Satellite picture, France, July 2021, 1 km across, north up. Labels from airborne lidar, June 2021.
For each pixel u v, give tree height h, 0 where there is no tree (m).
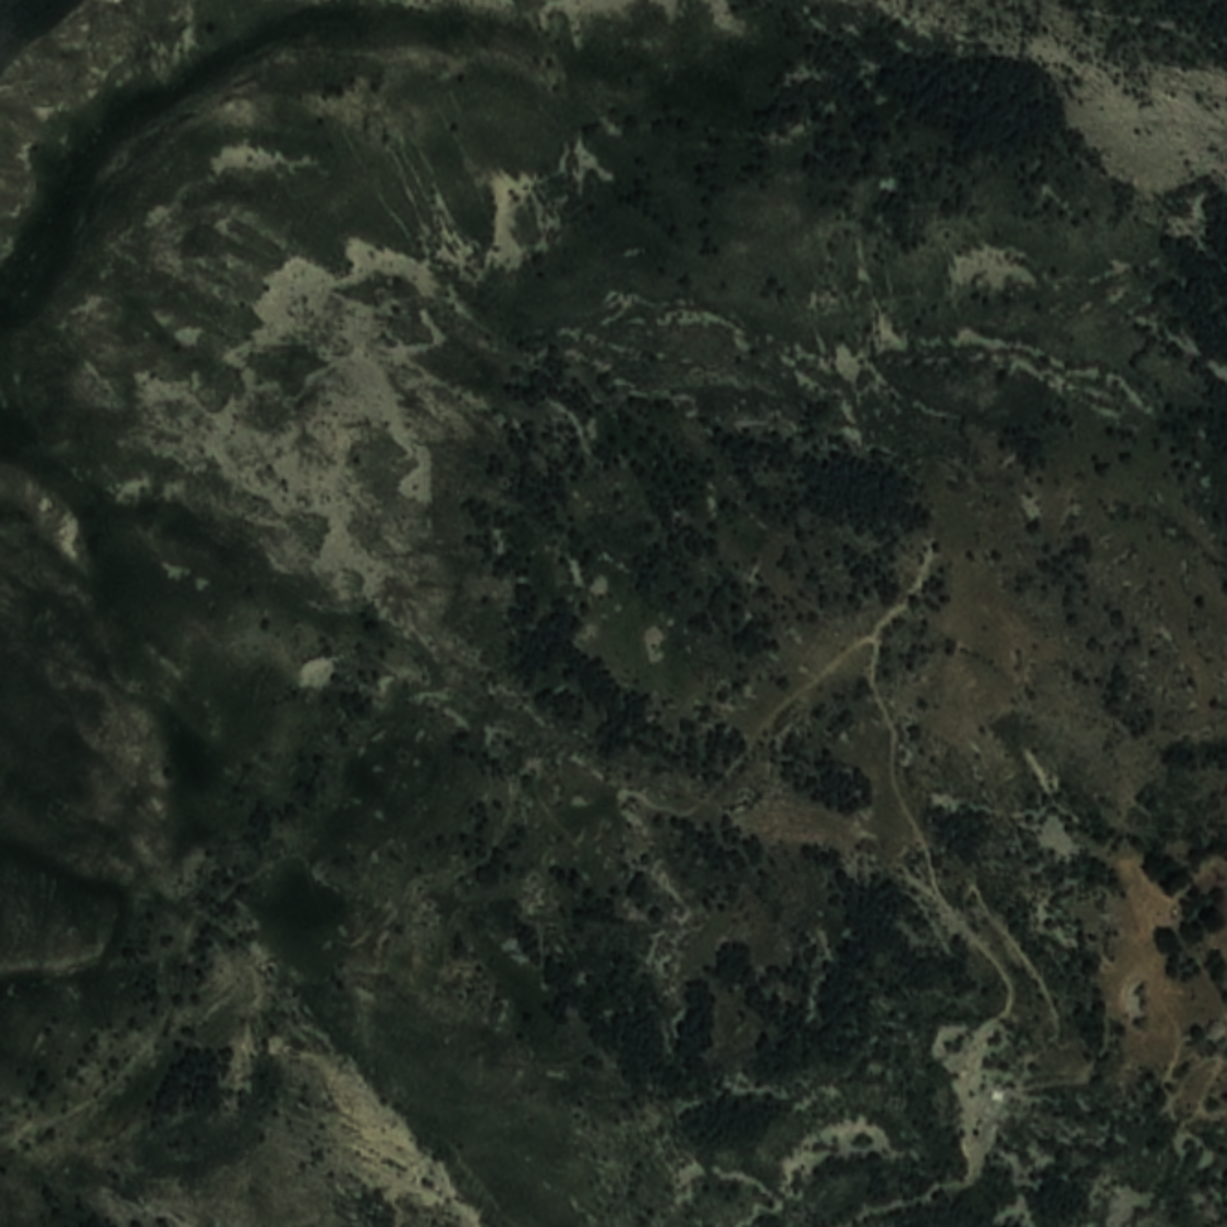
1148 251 0
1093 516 0
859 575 11
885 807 0
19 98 0
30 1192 0
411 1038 0
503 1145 0
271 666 0
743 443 9
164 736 0
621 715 8
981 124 9
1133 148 0
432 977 0
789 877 0
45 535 0
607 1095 0
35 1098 7
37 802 0
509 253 0
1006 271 0
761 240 0
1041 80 12
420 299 0
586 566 12
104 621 0
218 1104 7
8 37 0
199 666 0
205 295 0
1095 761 0
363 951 0
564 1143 0
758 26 0
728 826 8
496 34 0
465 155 0
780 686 9
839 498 6
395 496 0
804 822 0
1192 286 13
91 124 0
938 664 0
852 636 0
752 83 0
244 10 0
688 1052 11
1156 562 0
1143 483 0
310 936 0
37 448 0
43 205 0
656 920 12
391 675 0
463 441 0
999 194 0
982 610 0
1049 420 12
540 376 8
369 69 0
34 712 0
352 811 0
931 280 0
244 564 0
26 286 0
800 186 0
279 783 0
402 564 0
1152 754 0
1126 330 0
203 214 0
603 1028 6
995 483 0
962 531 0
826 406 7
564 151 0
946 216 7
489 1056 0
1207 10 8
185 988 0
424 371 0
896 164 7
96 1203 0
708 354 0
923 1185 10
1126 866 0
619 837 0
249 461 0
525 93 0
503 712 0
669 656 0
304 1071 0
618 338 0
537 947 11
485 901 0
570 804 0
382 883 0
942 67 11
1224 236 15
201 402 0
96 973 0
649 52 0
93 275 0
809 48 9
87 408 0
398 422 0
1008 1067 7
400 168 0
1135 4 6
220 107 0
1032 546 0
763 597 6
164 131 0
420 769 0
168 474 0
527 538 0
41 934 0
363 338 0
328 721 0
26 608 0
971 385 0
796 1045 10
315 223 0
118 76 0
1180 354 9
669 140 0
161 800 0
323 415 0
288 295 0
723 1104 13
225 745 0
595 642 0
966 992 8
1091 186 0
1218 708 8
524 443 7
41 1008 0
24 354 0
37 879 0
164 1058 0
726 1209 0
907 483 11
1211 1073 0
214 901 7
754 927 0
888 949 11
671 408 6
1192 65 7
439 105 0
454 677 0
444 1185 0
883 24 8
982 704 0
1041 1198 10
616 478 0
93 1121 0
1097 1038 7
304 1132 0
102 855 0
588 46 0
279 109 0
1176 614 0
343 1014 0
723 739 9
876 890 8
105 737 0
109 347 0
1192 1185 6
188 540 0
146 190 0
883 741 0
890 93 11
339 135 0
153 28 0
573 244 0
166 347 0
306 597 0
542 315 0
